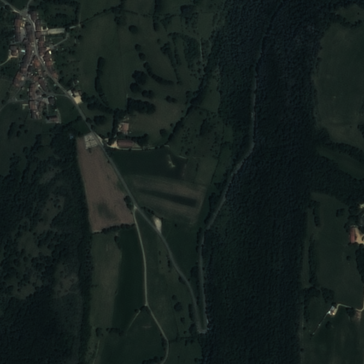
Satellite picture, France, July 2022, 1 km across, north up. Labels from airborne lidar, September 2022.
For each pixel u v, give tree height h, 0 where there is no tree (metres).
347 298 0
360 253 13
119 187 0
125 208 0
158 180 0
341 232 0
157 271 0
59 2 13
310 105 9
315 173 9
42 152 17
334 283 0
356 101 0
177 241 0
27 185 13
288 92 9
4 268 15
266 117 18
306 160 19
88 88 0
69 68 0
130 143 0
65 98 0
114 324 0
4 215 20
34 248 0
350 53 0
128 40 0
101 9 0
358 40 0
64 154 11
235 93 12
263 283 13
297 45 17
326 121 0
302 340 0
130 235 0
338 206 0
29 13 7
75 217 7
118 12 30
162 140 0
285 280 12
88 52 0
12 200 6
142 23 0
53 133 12
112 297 0
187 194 0
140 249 0
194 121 0
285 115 7
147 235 0
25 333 20
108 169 0
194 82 0
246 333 13
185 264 0
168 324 0
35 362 18
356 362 0
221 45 8
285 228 12
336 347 0
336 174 15
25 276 10
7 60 0
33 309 17
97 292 0
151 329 0
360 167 0
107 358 0
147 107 22
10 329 14
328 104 0
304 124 16
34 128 0
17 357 17
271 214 7
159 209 0
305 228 13
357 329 0
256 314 15
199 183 0
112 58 0
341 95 0
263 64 25
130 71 0
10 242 12
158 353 0
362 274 13
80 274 11
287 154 20
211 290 13
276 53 18
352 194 14
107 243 0
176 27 0
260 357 14
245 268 10
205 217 0
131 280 0
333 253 0
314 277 12
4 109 0
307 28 23
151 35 0
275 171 12
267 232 11
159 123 0
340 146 18
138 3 0
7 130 0
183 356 0
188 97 9
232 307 8
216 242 11
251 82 14
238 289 10
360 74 0
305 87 13
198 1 12
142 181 0
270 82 20
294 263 16
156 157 0
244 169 13
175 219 0
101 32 0
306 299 11
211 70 7
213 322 21
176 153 0
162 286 0
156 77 19
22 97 9
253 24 18
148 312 13
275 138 20
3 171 0
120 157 0
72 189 9
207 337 13
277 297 6
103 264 0
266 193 13
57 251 6
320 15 20
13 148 0
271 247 9
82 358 12
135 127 0
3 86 0
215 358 23
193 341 12
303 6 16
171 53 7
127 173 0
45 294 15
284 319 8
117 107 0
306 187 14
